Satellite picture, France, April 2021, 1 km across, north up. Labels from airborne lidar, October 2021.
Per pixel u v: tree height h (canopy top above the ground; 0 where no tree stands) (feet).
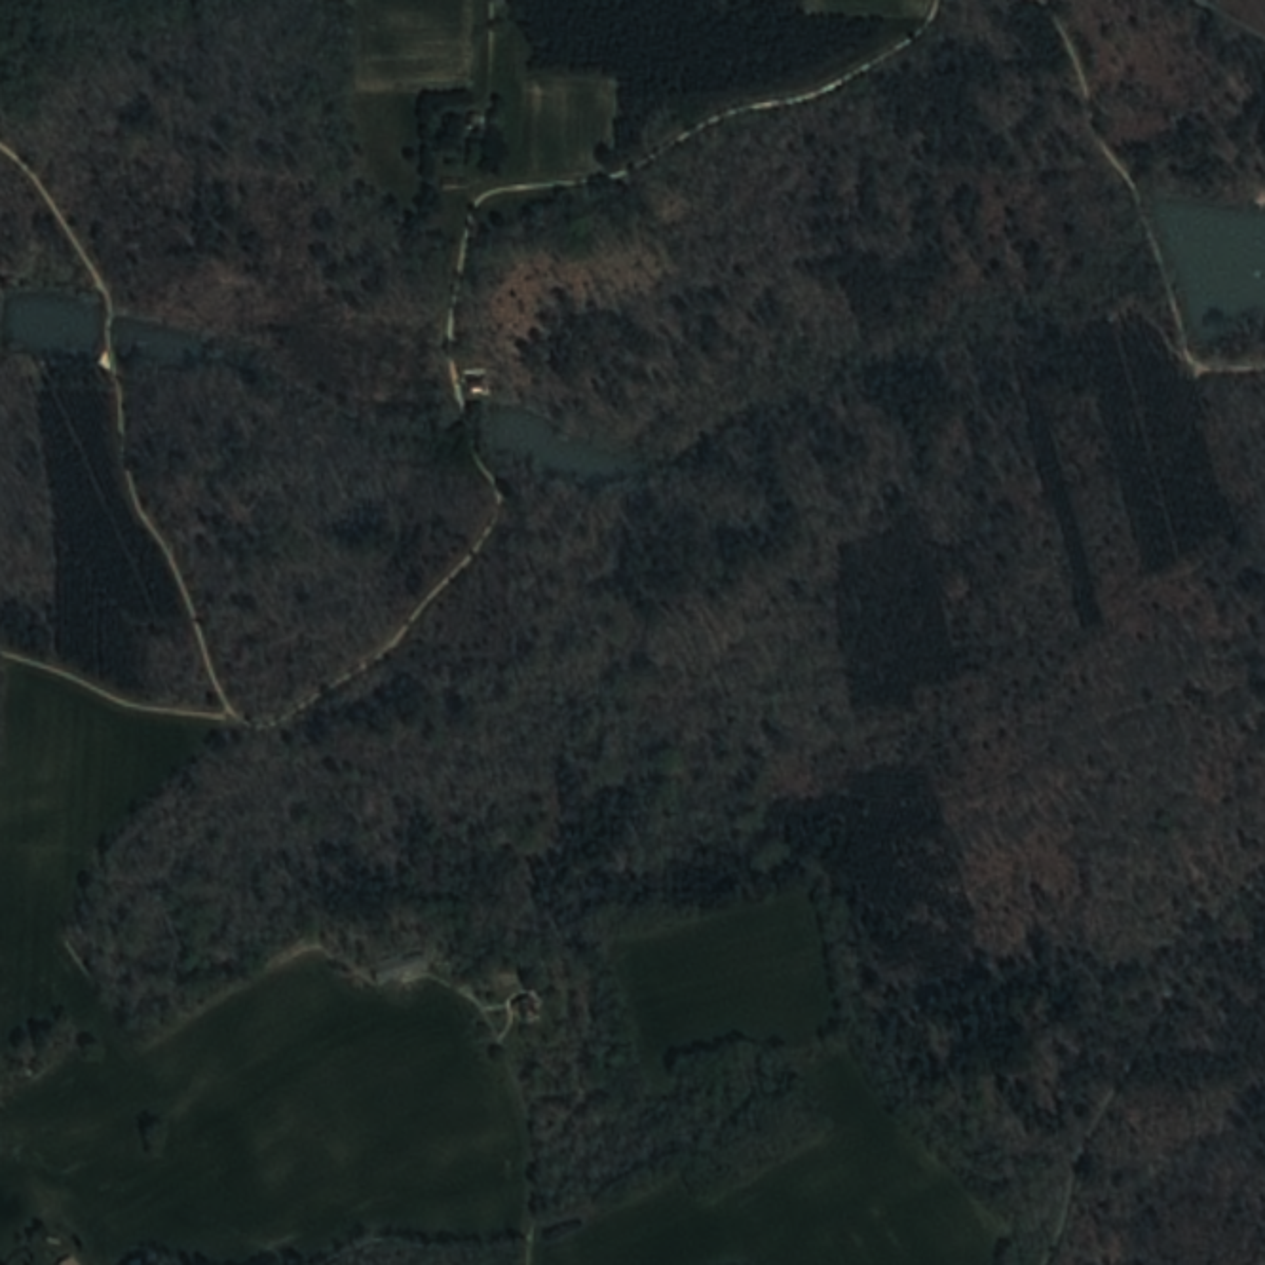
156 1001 28
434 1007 0
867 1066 55
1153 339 28
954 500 35
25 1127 0
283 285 28
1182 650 39
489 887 84
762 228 27
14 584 45
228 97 50
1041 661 23
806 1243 0
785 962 0
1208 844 35
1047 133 53
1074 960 45
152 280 27
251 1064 0
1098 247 50
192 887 74
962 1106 29
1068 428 29
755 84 39
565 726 44
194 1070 0
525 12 36
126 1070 0
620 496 61
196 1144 0
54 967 0
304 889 47
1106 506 21
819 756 28
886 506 53
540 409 52
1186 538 37
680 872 30
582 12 35
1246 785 40
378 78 0
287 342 52
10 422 56
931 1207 0
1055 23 47
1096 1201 21
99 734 0
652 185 50
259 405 63
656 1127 53
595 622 51
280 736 45
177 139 44
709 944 0
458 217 0
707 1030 0
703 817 53
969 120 68
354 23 39
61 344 0
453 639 19
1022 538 26
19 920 0
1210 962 43
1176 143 49
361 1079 0
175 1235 0
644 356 83
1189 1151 38
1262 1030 81
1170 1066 64
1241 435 38
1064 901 23
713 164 43
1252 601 70
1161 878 52
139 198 29
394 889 81
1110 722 24
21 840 0
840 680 25
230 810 40
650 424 54
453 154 35
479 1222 0
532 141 0
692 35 43
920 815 30
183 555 38
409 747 30
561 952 68
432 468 33
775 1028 0
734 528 64
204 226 58
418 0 0
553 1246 0
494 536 23
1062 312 25
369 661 44
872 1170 0
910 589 38
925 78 45
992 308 38
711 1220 0
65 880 0
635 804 69
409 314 55
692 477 73
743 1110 20
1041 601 22
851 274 65
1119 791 55
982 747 23
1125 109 55
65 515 44
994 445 80
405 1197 0
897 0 0
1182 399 35
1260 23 0
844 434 40
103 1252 0
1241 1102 41
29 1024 0
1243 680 54
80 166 36
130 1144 0
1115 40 51
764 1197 0
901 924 54
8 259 34
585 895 66
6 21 37
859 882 36
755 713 34
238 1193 0
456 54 0
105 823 0
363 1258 49
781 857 68
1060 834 34
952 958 38
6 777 0
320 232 43
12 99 50
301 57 72
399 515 24
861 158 58
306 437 53
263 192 19
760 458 58
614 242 70
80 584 40
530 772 51
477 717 71
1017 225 58
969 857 40
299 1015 0
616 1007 54
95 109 46
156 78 45
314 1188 0
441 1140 0
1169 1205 31
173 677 29
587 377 66
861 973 31
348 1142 0
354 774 48
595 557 32
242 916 36
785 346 54
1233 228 0
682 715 44
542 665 80
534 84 0
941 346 35
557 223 60
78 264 53
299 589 50
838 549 30
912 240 37
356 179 59
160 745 0
